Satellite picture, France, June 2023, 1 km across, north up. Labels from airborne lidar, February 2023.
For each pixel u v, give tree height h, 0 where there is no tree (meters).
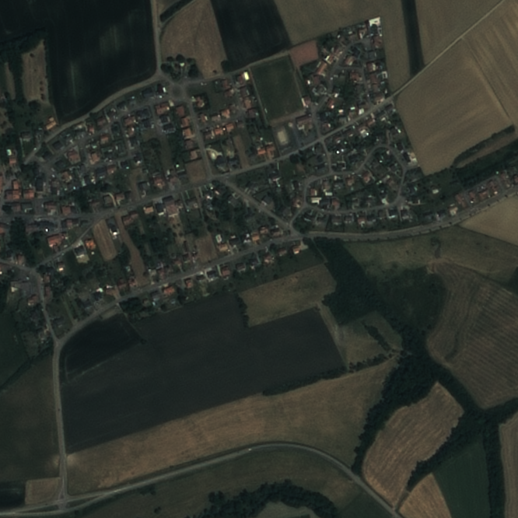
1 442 0
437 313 0
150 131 0
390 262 0
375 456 0
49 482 0
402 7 0
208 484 0
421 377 7
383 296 0
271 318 0
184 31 0
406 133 0
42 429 0
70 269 0
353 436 0
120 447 0
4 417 0
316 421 0
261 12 0
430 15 0
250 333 0
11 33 0
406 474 0
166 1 0
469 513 0
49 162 0
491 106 0
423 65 0
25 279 0
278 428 0
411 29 0
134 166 0
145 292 0
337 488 0
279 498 13
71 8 0
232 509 6
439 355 0
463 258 0
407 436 0
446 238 0
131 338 0
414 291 0
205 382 0
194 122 0
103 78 0
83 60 0
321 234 0
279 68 0
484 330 0
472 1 0
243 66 0
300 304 0
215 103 0
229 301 0
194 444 0
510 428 0
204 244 0
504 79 0
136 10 0
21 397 0
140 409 0
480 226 0
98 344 0
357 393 0
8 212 15
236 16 0
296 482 0
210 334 0
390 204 0
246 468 0
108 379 0
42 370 0
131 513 0
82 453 0
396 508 0
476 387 0
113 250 0
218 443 0
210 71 0
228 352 0
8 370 0
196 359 0
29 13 0
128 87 0
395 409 20
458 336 0
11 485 0
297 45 0
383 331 0
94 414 0
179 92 0
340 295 9
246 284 0
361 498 0
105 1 0
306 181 0
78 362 0
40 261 0
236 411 0
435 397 0
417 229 0
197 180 0
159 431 0
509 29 0
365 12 0
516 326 0
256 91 0
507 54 0
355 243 0
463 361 0
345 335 0
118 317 0
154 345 0
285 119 0
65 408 0
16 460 0
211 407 0
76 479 0
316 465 0
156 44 0
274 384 0
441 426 0
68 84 0
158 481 0
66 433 0
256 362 0
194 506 0
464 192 0
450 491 0
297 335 0
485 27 0
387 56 0
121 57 0
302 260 0
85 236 0
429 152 0
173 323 0
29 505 0
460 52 0
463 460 0
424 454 0
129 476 0
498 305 0
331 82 0
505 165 6
